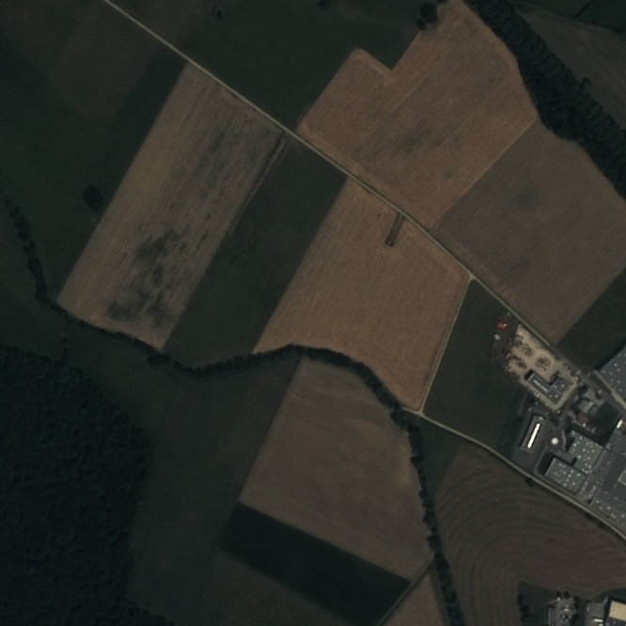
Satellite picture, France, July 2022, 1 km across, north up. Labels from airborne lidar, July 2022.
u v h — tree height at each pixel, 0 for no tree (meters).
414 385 0
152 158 0
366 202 0
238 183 0
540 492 0
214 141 0
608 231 0
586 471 0
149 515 0
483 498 0
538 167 0
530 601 0
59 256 0
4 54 0
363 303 0
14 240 0
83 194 0
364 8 0
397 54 0
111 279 0
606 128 29
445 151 0
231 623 0
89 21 0
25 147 0
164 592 0
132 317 0
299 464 0
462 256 0
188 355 0
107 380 0
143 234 0
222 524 0
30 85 0
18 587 28
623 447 0
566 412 0
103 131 0
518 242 0
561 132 22
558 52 0
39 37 0
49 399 22
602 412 0
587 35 0
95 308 0
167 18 0
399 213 0
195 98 0
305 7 0
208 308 0
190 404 0
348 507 0
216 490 0
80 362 0
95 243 0
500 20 32
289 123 0
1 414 24
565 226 0
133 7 0
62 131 0
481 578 0
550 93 15
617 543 0
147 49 0
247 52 0
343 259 0
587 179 0
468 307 0
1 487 27
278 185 0
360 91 0
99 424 24
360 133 0
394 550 0
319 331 0
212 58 0
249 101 0
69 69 0
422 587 0
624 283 0
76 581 26
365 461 0
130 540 18
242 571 0
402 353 0
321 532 0
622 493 0
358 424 0
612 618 0
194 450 0
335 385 0
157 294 0
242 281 0
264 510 0
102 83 0
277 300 0
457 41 0
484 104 0
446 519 0
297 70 0
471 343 0
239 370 15
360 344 0
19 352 17
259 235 0
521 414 0
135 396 0
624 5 0
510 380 0
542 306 0
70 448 26
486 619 0
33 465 25
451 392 0
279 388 0
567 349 0
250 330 0
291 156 0
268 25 0
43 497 27
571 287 0
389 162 0
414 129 0
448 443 0
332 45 0
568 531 0
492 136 0
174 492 0
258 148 0
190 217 0
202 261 0
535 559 0
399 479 0
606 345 0
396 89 0
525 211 0
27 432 26
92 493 28
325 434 0
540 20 0
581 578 0
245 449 0
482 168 0
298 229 0
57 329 0
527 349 0
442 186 0
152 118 0
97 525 23
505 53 0
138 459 24
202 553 0
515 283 0
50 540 25
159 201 0
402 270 0
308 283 0
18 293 0
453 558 0
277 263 0
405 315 0
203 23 0
